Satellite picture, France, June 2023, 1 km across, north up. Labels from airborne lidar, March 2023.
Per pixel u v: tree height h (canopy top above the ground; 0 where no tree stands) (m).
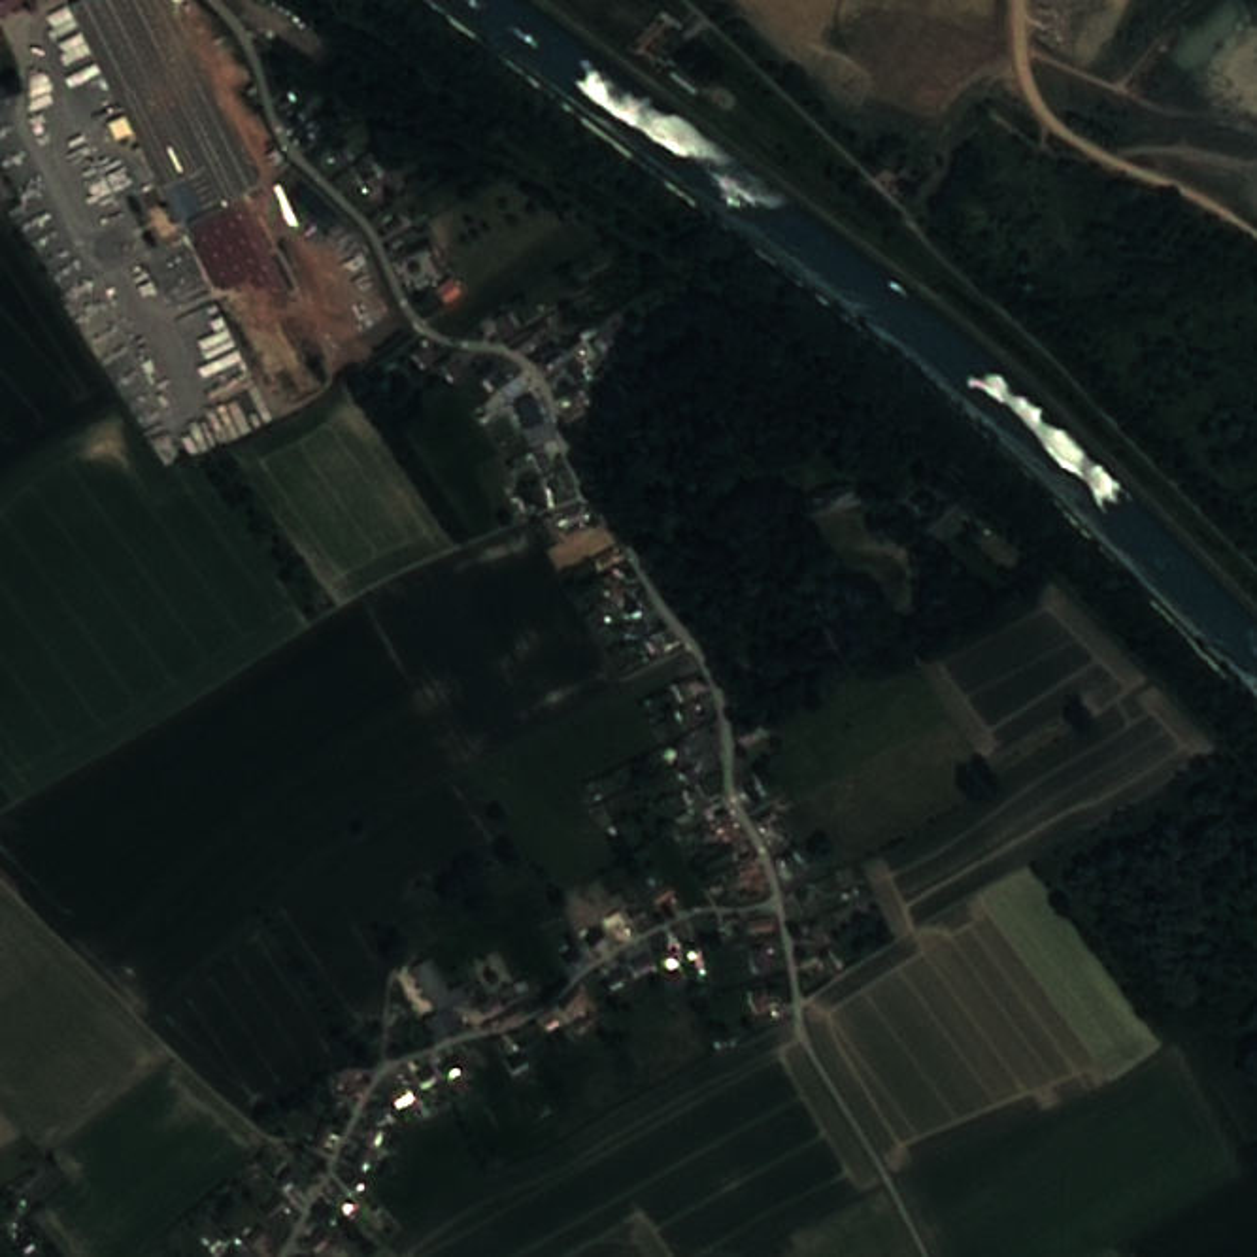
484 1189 0
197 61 0
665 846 0
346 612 0
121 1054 0
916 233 0
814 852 14
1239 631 0
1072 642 0
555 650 0
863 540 0
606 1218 0
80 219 0
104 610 0
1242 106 0
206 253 0
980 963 0
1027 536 19
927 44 0
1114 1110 0
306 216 0
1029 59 0
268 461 0
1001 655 0
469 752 0
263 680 0
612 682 0
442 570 0
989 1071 0
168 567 0
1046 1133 0
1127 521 0
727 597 24
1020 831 0
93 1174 0
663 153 0
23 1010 0
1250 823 17
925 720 0
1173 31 0
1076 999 0
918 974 0
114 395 0
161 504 0
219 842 0
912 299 0
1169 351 14
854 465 24
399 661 0
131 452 0
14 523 0
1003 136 0
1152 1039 0
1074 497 0
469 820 0
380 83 8
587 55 0
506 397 0
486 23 0
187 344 0
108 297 0
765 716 16
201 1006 0
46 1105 0
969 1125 0
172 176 0
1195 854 20
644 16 0
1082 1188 0
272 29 0
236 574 0
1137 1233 0
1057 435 0
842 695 0
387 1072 0
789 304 31
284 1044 0
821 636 16
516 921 0
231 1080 0
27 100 0
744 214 0
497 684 0
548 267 0
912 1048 0
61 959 0
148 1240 0
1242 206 0
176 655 0
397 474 0
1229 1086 0
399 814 0
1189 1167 0
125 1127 0
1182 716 0
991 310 0
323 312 0
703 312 30
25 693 0
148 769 0
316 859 0
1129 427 10
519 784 0
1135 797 0
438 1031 0
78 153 0
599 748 0
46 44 0
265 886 0
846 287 0
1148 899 21
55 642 0
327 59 0
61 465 0
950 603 29
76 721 0
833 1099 0
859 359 33
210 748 0
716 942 13
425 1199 0
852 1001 0
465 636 0
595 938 8
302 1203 0
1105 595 18
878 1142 0
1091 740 0
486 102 15
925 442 21
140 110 0
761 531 25
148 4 0
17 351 0
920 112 0
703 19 0
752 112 0
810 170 0
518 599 0
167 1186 0
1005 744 0
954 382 0
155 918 0
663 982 9
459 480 0
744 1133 0
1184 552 0
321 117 9
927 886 0
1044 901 0
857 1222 0
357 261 0
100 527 0
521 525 0
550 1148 0
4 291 0
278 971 0
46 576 0
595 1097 0
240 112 0
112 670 0
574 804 0
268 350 0
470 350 0
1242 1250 0
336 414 0
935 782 0
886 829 0
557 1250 0
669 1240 0
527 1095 0
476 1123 0
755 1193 0
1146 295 7
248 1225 0
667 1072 0
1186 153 0
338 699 0
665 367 30
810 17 0
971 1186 0
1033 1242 0
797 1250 0
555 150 8
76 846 0
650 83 0
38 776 0
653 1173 0
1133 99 0
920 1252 0
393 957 22
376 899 0
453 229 0
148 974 0
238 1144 0
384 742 0
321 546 0
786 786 0
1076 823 0
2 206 0
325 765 0
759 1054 0
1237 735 14
